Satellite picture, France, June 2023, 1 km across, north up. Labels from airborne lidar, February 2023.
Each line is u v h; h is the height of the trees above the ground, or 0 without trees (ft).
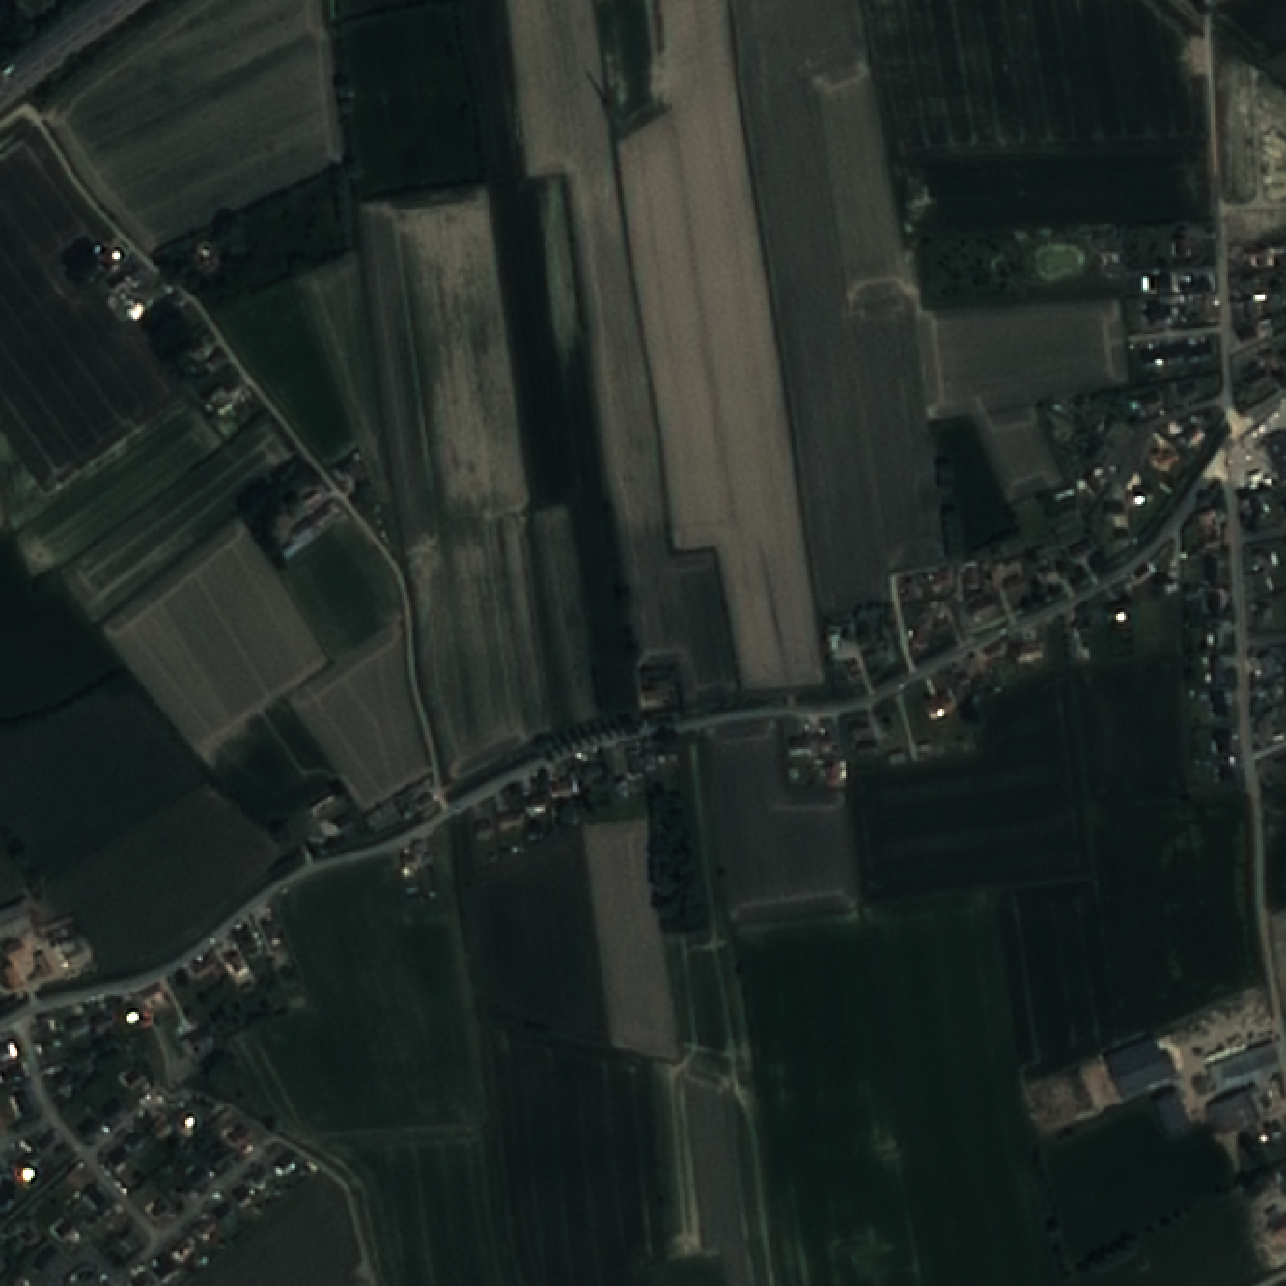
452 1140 0
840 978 0
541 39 0
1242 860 0
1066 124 0
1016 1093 0
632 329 0
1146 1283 0
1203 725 0
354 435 0
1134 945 0
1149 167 0
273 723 0
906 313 0
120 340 0
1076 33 0
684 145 0
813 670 0
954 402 0
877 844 0
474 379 0
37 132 0
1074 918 0
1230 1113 0
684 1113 0
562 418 0
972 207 0
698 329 0
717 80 0
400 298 0
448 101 0
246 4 0
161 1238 0
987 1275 0
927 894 0
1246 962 0
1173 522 0
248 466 0
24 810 0
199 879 0
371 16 19
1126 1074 0
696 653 0
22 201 0
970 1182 0
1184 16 0
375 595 0
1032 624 0
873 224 0
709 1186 0
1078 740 0
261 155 0
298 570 0
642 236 0
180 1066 0
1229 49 0
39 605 0
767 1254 0
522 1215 0
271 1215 0
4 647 0
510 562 0
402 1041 0
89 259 63
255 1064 0
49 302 0
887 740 0
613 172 0
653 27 0
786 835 0
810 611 0
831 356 0
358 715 0
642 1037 0
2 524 0
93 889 0
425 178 0
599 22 0
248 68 0
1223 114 0
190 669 0
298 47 0
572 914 0
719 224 0
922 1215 0
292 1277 0
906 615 0
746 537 0
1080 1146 0
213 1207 0
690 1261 0
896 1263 0
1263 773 0
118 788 0
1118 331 0
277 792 0
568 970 0
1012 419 0
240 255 44
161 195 0
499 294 0
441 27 0
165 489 0
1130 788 0
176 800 0
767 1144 0
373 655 0
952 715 0
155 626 0
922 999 0
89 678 0
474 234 0
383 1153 0
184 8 0
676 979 0
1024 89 0
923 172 0
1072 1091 0
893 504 0
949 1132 0
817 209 0
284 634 0
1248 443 0
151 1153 0
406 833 0
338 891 0
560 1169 0
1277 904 0
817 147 0
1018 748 0
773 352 0
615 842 0
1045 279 0
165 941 0
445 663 0
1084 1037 0
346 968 0
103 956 0
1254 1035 0
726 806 0
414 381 0
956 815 0
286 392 0
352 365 0
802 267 0
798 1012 0
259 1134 0
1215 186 0
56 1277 0
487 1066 0
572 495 0
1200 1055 0
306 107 0
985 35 0
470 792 0
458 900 0
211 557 0
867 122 0
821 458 0
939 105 0
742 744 0
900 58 0
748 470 0
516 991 0
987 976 0
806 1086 0
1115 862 0
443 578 0
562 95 0
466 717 0
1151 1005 0
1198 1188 0
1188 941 0
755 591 0
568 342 0
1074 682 0
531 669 0
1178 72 0
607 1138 0
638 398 0
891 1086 0
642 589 0
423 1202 0
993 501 0
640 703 0
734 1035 0
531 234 0
